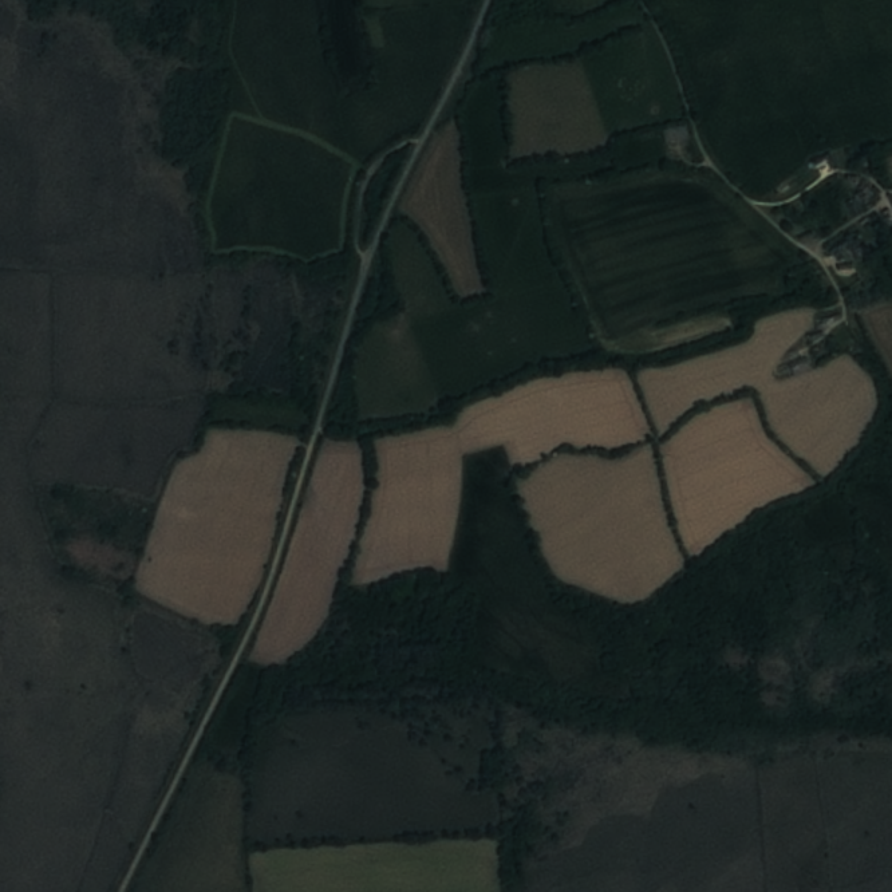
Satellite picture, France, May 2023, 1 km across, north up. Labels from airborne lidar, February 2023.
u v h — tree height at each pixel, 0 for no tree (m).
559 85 0
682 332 0
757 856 0
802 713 6
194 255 0
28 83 0
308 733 0
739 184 7
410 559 0
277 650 0
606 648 8
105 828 0
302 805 0
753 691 7
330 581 0
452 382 0
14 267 0
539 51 0
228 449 0
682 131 0
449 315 0
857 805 0
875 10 0
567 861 0
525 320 0
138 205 0
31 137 0
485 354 0
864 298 17
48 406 0
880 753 0
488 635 0
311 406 10
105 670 0
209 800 0
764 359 0
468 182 8
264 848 12
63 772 0
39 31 0
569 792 0
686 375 0
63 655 0
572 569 0
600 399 0
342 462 0
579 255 0
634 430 0
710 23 0
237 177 0
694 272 0
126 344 0
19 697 0
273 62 0
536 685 7
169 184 0
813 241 0
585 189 0
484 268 14
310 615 0
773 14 0
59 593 0
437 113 0
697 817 0
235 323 0
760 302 8
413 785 0
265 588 0
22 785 0
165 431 0
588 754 0
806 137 0
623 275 0
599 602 7
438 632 12
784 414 0
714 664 11
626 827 0
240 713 0
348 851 0
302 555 0
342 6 0
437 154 0
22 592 0
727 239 0
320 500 0
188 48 8
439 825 0
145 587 0
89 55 0
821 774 0
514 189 0
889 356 0
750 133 0
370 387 0
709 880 0
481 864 0
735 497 0
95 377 0
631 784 0
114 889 0
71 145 0
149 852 7
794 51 0
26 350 0
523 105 0
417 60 0
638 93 0
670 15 0
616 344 0
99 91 0
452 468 0
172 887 0
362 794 0
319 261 10
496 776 12
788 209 10
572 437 0
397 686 9
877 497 0
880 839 0
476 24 0
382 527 0
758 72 0
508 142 10
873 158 13
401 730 0
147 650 0
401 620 6
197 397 0
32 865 0
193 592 0
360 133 0
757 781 0
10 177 0
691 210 0
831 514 0
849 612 6
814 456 0
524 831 11
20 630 0
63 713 0
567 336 0
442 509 0
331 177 0
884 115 0
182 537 0
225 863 0
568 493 0
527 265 0
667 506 7
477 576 0
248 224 0
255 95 0
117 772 0
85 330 0
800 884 0
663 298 0
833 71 0
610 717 9
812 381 0
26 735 0
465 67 0
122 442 0
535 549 11
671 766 0
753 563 6
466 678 6
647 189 0
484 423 0
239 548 0
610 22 0
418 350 0
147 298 0
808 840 0
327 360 7
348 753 0
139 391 0
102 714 0
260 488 0
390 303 11
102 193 0
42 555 0
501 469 0
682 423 8
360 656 13
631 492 0
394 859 0
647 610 7
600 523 0
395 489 0
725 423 0
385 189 7
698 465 0
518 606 0
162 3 9
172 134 8
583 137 0
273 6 0
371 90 6
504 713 9
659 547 0
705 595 7
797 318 0
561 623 0
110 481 0
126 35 7
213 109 8
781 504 8
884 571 7
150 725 0
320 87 0
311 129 0
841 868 0
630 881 0
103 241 0
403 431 13
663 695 8
